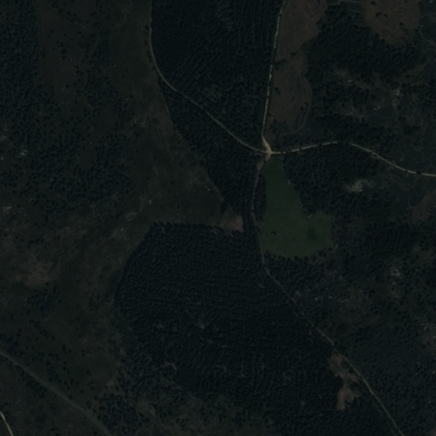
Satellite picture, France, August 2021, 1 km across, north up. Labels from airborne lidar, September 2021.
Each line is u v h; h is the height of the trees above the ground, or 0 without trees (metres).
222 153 18
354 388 21
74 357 0
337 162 13
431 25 0
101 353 0
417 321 8
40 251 0
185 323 14
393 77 12
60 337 0
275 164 0
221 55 13
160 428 0
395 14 0
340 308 7
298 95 0
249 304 15
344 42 12
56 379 7
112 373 0
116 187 12
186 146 0
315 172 14
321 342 17
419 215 0
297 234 0
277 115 0
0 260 0
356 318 0
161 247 13
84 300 0
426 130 0
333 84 13
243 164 13
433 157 0
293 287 11
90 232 0
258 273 12
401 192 0
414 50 12
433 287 14
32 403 0
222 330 12
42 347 0
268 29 14
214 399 16
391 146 14
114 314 0
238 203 16
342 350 10
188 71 16
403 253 10
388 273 0
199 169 0
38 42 8
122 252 0
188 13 16
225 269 16
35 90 11
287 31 0
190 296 13
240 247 16
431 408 12
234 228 0
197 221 0
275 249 0
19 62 12
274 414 16
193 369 13
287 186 0
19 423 0
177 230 14
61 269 0
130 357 13
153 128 0
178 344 8
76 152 13
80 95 6
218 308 15
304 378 16
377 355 8
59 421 0
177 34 14
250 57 21
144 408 0
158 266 17
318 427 20
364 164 16
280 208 0
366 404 19
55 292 10
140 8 0
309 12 0
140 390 16
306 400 19
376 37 6
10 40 9
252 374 16
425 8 0
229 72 13
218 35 16
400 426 13
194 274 14
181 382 15
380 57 12
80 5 0
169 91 17
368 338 8
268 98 8
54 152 10
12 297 0
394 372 0
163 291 16
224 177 17
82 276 0
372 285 0
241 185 17
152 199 0
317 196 14
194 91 20
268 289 15
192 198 0
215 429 0
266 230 0
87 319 0
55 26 0
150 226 0
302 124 0
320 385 15
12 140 11
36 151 10
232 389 17
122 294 17
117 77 0
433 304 7
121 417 18
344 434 17
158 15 16
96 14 11
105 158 11
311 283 12
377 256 18
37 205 8
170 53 13
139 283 19
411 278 10
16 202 0
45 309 14
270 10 16
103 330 0
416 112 0
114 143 9
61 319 0
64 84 0
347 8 12
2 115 10
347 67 12
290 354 16
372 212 19
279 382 16
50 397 0
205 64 12
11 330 0
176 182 0
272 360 18
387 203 12
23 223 0
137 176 0
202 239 19
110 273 0
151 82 0
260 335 15
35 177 8
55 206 11
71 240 0
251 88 13
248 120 19
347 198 13
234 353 16
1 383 0
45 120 10
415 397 12
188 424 0
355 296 0
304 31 0
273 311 16
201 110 17
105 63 13
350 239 0
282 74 0
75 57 0
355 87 13
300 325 15
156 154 0
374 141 9
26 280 0
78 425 0
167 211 0
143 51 0
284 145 11
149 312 16
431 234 11
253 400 17
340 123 20
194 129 20
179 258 14
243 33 14
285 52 0
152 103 0
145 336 14
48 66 0
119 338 0
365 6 0
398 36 0
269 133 0
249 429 0
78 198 13
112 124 0
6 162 0
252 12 16
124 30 0
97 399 9
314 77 9
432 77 11
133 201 0
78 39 0
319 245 0
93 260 0
